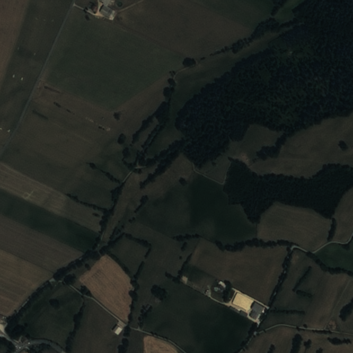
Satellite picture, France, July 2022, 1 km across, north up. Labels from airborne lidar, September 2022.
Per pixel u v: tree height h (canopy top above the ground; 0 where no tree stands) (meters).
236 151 0
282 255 0
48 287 17
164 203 0
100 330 0
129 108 0
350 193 0
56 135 0
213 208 0
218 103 10
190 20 0
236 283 0
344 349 0
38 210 0
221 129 11
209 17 0
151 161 17
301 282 7
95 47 0
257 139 0
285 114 23
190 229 0
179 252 0
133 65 0
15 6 0
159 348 0
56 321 0
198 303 0
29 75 0
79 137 0
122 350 21
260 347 0
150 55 0
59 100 0
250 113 6
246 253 0
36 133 0
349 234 0
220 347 0
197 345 0
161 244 0
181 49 0
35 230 0
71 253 0
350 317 0
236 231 0
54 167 0
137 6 0
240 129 23
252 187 6
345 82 37
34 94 0
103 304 0
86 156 0
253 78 12
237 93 8
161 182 0
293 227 0
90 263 0
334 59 6
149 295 0
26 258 0
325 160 0
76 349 0
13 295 0
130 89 0
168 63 0
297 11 16
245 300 0
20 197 0
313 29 20
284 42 20
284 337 0
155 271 0
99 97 0
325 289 0
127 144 0
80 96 0
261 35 14
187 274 0
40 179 0
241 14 0
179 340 0
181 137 0
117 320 0
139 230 0
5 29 0
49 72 0
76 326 14
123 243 0
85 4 0
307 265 0
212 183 0
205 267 0
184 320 0
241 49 13
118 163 0
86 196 0
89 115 0
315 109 25
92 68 0
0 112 0
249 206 9
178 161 0
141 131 7
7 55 0
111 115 0
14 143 0
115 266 0
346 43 18
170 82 15
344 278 0
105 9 0
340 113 19
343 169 9
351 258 0
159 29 0
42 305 0
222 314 0
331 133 0
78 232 0
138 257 0
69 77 0
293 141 0
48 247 0
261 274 0
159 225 0
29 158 0
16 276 0
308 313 0
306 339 0
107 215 18
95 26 0
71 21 0
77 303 0
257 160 7
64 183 0
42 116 0
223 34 0
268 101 27
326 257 0
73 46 0
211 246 0
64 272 18
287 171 0
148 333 0
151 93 0
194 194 0
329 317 0
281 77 17
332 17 19
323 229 0
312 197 7
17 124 0
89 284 0
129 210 0
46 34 0
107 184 0
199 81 0
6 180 0
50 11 0
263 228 0
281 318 0
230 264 0
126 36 0
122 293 0
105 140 0
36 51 0
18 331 22
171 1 0
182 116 23
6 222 0
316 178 9
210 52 0
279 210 0
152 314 0
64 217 0
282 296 0
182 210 0
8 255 0
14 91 0
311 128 0
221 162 0
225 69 0
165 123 13
